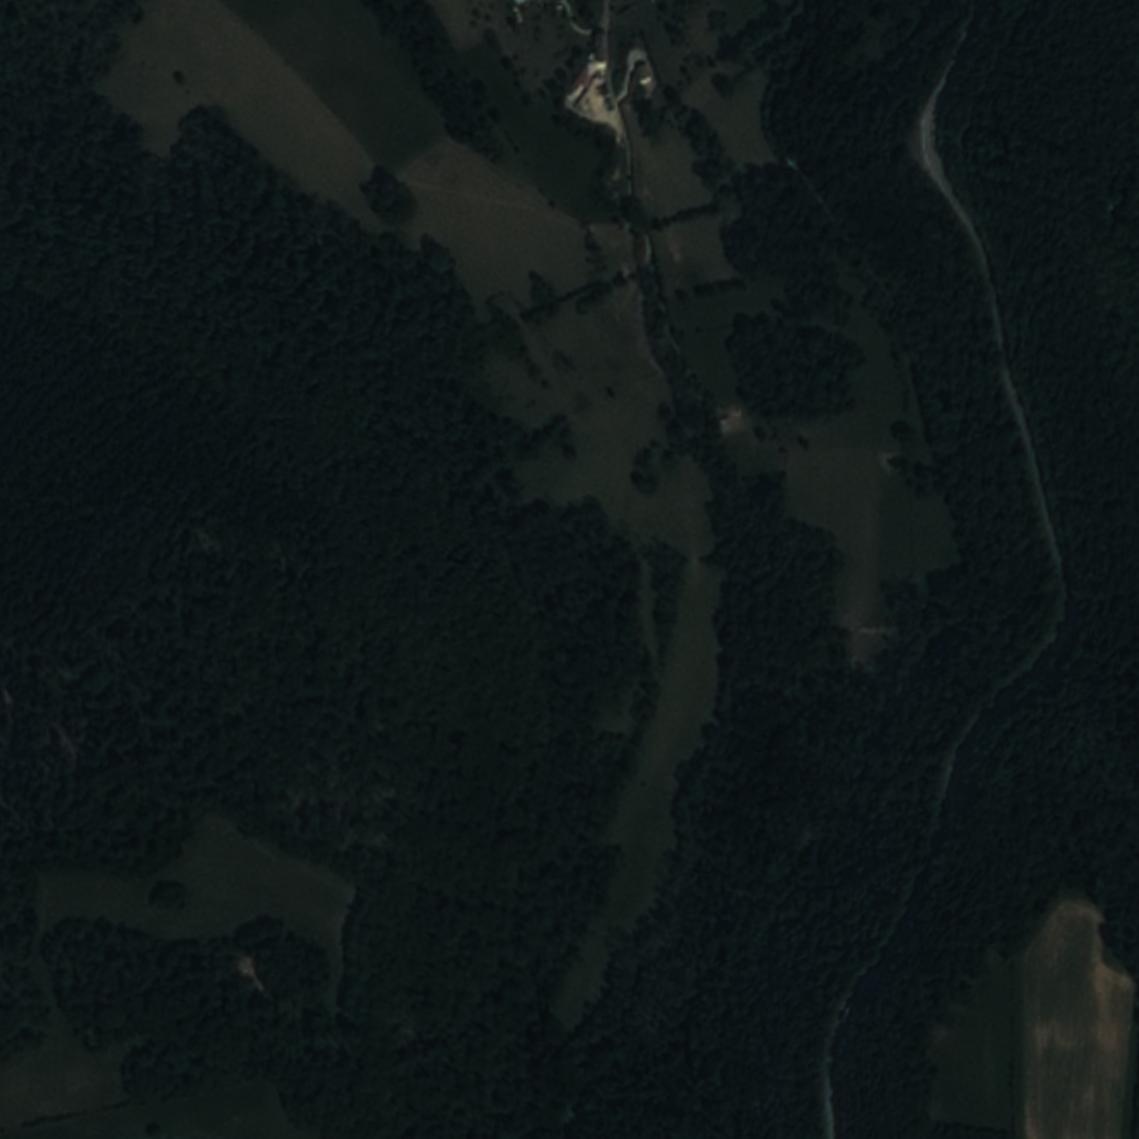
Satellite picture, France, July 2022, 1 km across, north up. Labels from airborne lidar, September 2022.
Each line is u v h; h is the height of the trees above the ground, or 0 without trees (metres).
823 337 14
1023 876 18
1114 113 18
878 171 17
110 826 8
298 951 17
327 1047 23
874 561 0
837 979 23
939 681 32
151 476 17
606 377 0
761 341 18
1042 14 24
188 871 0
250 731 19
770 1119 23
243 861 0
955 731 22
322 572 22
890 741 31
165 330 22
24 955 8
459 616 23
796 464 0
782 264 22
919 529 0
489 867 24
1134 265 18
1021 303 21
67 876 9
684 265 0
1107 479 19
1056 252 21
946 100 12
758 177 20
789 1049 20
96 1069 0
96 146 30
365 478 27
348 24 0
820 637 21
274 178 24
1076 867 8
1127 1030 0
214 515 22
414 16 15
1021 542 16
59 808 21
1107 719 24
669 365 25
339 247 33
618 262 0
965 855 30
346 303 27
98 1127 0
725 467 11
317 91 0
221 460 19
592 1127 20
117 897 0
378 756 17
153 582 21
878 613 0
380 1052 24
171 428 16
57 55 13
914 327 15
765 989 19
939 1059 0
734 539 25
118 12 15
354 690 15
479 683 23
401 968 23
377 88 0
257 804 21
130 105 0
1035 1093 0
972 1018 0
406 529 28
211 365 25
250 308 25
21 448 18
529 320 14
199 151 21
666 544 23
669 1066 8
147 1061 14
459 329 30
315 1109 20
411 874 21
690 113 8
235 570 17
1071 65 24
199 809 19
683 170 0
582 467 0
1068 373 18
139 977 21
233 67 0
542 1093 28
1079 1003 0
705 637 0
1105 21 19
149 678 25
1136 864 26
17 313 18
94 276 31
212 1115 0
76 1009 17
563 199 0
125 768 21
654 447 6
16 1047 10
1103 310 13
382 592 19
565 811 36
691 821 12
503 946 35
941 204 16
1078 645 26
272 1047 16
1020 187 20
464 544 26
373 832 22
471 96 7
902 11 14
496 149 12
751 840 21
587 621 30
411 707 17
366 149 0
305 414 23
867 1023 19
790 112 15
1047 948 0
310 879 0
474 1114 33
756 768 19
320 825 21
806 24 18
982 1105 0
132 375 16
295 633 16
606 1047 19
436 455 32
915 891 23
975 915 26
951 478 19
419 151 0
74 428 19
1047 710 21
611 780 24
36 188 25
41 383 19
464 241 0
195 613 21
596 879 24
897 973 20
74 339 15
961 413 14
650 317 14
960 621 18
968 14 14
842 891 22
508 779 25
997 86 12
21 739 16
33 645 24
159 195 26
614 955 19
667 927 24
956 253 24
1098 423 21
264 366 28
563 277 0
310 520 19
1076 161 12
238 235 27
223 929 0
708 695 0
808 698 21
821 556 22
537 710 26
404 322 26
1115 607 24
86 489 16
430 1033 28
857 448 0
